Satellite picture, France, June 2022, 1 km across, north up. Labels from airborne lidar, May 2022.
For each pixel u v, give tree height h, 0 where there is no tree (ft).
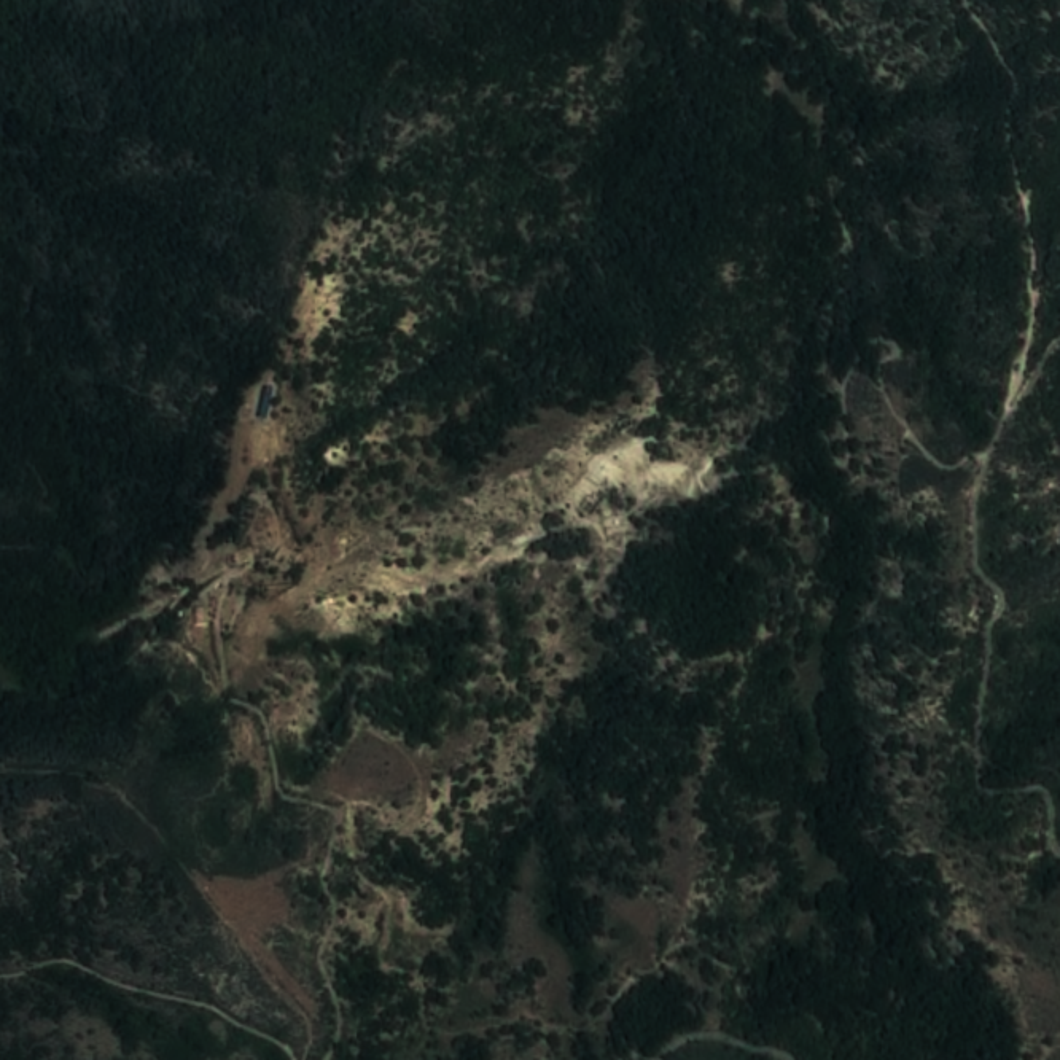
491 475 0
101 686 54
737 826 20
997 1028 57
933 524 20
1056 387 23
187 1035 21
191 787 0
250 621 0
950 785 26
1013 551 25
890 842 22
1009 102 26
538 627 0
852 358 27
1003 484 27
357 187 35
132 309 32
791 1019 30
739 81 34
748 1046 31
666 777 24
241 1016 0
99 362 23
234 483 0
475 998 0
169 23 32
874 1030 36
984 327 25
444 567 0
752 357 22
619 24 25
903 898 62
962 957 40
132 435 28
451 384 30
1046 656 32
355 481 25
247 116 31
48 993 29
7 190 19
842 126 35
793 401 37
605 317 42
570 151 37
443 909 22
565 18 39
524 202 28
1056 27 22
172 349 28
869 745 28
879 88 23
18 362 45
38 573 36
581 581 25
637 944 0
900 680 26
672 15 48
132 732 27
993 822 31
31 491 20
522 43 30
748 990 27
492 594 0
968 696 25
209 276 25
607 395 37
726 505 28
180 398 22
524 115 29
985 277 27
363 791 0
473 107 25
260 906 0
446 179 28
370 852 23
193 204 30
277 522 0
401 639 43
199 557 0
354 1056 26
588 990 41
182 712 20
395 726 23
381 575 0
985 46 28
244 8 36
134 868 35
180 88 48
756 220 30
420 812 0
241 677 0
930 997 69
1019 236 21
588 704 27
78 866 36
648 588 40
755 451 24
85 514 45
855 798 33
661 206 31
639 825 30
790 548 22
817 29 33
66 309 39
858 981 26
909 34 34
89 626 0
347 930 24
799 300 37
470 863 25
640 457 0
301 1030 0
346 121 31
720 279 19
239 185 25
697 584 52
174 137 39
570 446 0
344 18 53
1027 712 38
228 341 40
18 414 51
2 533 33
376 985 29
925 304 24
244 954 0
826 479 67
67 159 49
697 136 32
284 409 21
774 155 35
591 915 25
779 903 46
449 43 36
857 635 23
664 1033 36
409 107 47
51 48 24
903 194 27
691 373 20
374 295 29
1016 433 18
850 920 44
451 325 33
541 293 26
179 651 0
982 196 21
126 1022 38
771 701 20
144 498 29
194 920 36
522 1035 27
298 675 22
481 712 31
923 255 23
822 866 0
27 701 33
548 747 43
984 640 23
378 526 0
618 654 28
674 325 34
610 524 0
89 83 19
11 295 49
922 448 0
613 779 28
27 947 30
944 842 23
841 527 52
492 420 27
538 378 38
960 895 22
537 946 0
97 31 32
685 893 0
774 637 28
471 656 0
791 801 19
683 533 24
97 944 22
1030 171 19
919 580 19
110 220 40
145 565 20
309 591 0
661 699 39
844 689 55
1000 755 47
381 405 44
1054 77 20
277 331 28
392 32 45
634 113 46
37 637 48
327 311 23
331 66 37
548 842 32
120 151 20
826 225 50
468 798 23
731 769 28
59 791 37
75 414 37
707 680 20
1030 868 28
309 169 25
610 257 34
